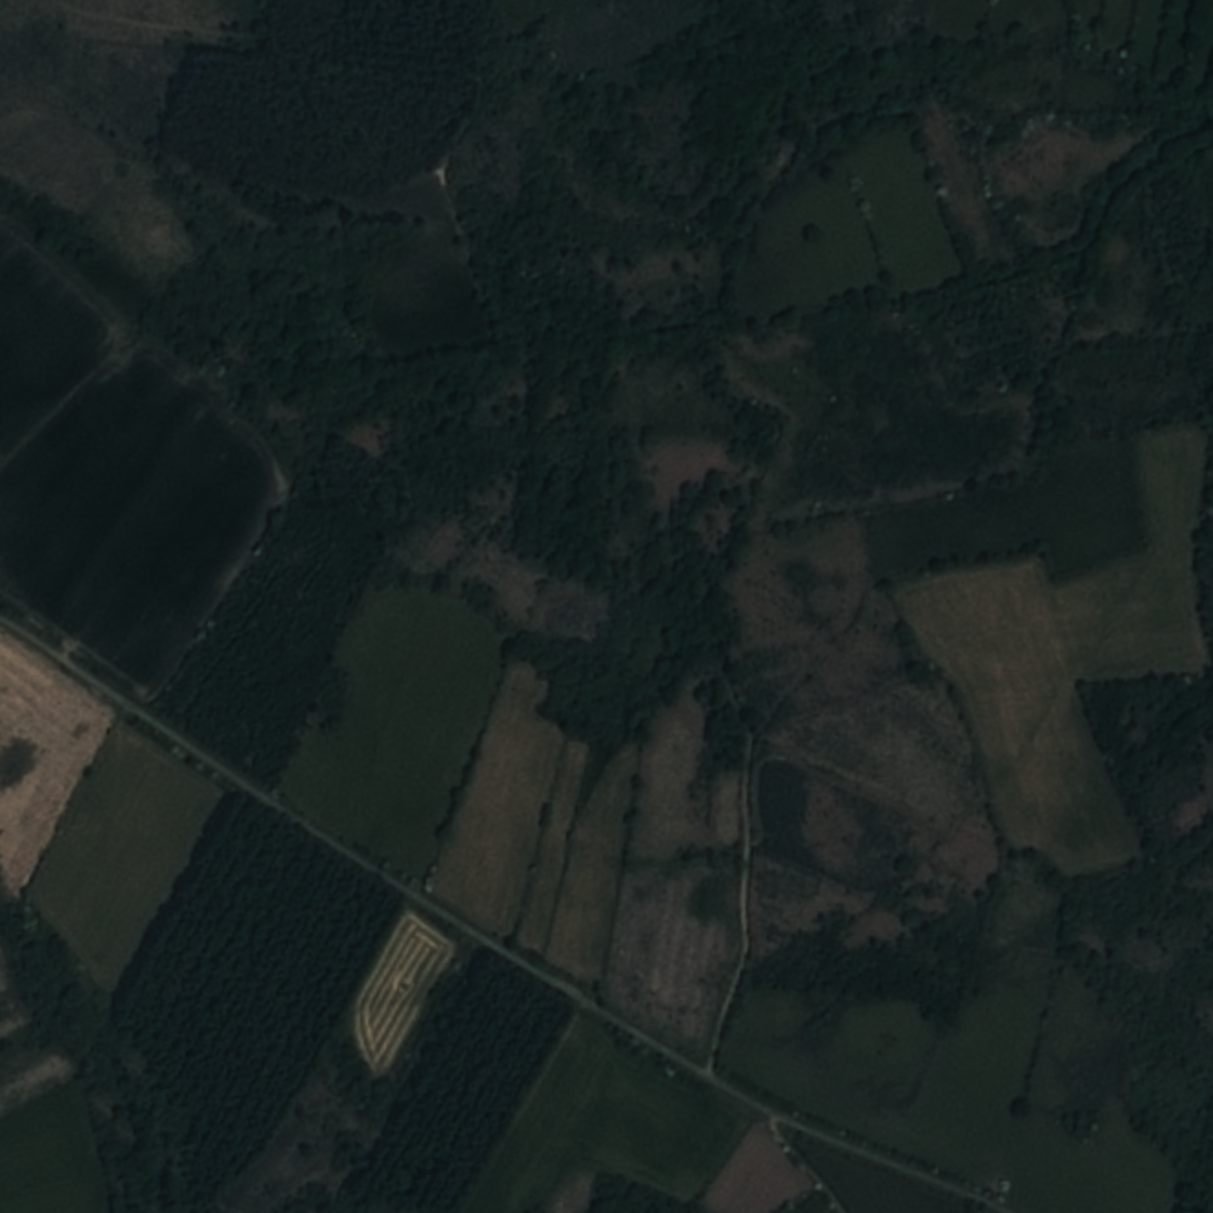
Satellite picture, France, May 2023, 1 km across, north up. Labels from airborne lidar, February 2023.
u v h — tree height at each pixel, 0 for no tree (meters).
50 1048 11
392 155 21
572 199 6
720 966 0
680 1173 0
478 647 0
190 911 22
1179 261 9
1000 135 9
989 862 0
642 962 0
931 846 0
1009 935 0
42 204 6
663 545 8
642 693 8
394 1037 0
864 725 0
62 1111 0
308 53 21
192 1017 24
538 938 0
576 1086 0
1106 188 7
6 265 0
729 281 11
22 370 0
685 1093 0
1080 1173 0
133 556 0
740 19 18
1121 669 0
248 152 20
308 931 22
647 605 9
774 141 6
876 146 0
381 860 5
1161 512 0
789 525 8
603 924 0
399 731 0
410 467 15
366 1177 19
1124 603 0
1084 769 0
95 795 0
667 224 6
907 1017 0
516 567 0
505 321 12
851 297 11
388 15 13
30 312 0
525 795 0
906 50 16
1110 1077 0
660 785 0
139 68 0
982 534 0
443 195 0
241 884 18
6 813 0
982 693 0
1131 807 8
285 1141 0
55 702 0
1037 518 0
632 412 0
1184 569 0
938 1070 0
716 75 11
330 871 22
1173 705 9
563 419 12
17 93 0
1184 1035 6
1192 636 0
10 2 0
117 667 0
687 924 0
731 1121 0
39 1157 0
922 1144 0
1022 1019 0
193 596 0
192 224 9
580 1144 0
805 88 6
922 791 0
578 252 8
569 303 13
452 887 0
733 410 9
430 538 0
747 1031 0
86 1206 0
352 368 13
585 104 8
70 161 0
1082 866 0
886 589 10
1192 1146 7
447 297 0
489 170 6
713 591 11
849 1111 0
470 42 28
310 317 14
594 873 0
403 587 6
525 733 0
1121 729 9
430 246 0
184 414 0
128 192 0
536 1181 0
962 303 9
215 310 8
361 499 8
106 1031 6
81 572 0
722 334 14
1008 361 6
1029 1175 0
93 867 0
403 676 0
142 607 0
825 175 13
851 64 15
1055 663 0
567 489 7
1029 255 11
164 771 0
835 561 0
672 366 0
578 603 0
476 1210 0
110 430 0
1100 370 0
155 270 0
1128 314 0
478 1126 25
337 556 7
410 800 0
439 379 12
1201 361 8
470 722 0
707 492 10
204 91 22
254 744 7
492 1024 28
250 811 20
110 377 0
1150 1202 0
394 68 15
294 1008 19
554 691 7
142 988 21
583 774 0
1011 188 0
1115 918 8
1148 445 0
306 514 6
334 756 0
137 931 0
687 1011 0
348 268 7
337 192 14
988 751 0
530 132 6
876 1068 0
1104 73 8
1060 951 9
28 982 8
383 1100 9
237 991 18
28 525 0
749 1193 0
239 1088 19
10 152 0
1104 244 11
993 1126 0
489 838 0
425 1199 24
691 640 14
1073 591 0
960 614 0
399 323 0
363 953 18
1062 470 0
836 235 0
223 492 0
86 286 0
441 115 22
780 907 0
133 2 0
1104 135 9
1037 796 0
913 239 0
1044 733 0
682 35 8
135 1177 8
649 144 9
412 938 0
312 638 7
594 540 13
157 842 0
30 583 0
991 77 0
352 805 0
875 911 9
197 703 6
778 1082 0
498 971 23
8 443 0
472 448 9
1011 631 0
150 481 0
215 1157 23
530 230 14
